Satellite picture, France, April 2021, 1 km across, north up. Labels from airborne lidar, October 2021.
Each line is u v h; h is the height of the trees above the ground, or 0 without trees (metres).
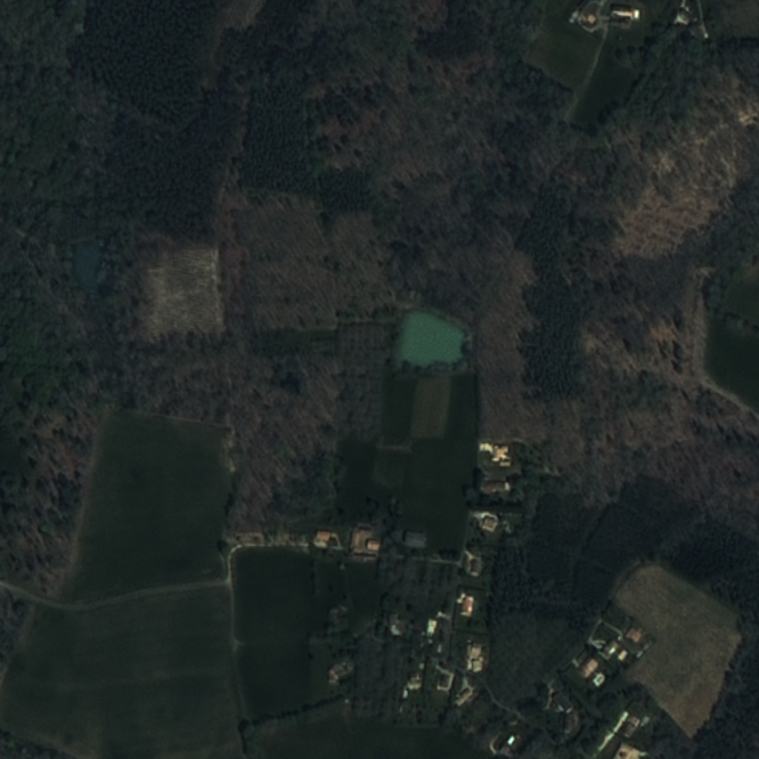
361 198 18
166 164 24
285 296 16
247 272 13
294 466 27
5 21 18
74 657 0
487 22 17
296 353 11
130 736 0
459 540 0
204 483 0
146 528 0
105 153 17
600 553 10
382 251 22
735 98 25
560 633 16
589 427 16
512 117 20
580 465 19
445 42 23
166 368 20
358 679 12
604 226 24
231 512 16
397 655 13
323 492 23
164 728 0
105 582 0
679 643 0
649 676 0
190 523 0
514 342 17
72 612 0
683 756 13
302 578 0
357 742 0
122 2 23
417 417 0
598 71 0
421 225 14
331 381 21
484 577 8
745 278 16
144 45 23
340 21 16
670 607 0
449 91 11
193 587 0
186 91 24
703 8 0
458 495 0
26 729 0
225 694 0
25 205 19
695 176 24
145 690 0
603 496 18
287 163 14
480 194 24
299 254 18
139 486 0
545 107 21
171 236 27
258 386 20
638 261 14
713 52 14
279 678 0
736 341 0
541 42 0
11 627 17
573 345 16
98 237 17
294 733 0
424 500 0
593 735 7
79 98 20
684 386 0
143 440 0
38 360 21
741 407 0
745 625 15
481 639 7
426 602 9
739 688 18
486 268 24
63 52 21
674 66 14
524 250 19
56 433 8
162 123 25
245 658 0
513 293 21
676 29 9
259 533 15
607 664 6
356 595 0
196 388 18
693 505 7
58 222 28
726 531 18
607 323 9
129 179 23
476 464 0
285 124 16
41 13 22
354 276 18
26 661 0
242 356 26
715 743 22
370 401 13
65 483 14
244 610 0
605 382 14
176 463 0
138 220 28
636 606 0
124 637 0
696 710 0
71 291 11
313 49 14
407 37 15
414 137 22
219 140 25
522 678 18
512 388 21
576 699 6
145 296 14
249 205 13
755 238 19
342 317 15
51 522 21
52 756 8
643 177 19
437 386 0
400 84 15
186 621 0
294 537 6
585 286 17
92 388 15
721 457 12
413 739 0
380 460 0
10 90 24
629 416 19
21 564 14
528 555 10
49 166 21
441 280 22
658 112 9
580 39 0
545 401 16
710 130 26
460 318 18
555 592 18
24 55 13
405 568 11
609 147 21
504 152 18
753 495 15
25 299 19
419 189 16
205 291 0
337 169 8
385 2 20
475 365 15
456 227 25
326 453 24
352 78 12
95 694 0
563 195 17
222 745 0
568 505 8
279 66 23
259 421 15
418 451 0
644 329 17
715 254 23
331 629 12
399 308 14
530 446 9
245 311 16
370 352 12
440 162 18
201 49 22
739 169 30
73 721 0
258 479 21
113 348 21
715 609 0
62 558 24
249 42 8
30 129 24
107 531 0
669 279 20
